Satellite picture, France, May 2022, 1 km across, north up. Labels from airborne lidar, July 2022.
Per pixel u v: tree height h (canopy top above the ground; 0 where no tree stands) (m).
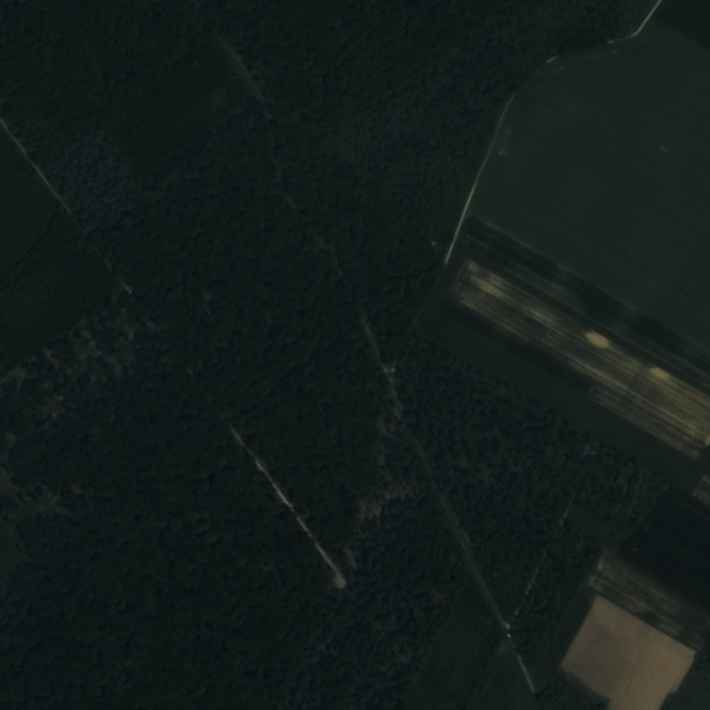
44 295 21
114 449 28
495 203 0
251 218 26
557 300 0
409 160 24
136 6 25
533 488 25
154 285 25
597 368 0
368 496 22
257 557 27
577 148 0
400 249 27
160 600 31
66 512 32
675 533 0
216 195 25
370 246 27
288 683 26
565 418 0
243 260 26
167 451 29
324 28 24
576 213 0
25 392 33
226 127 8
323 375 30
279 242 23
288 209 19
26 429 29
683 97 0
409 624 29
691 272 0
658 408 0
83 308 15
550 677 0
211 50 6
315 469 27
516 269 0
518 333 0
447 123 26
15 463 28
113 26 22
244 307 30
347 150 21
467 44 19
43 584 28
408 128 24
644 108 0
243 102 6
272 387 22
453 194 11
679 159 0
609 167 0
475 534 24
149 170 9
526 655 15
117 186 29
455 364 16
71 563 32
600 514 20
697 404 0
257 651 20
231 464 30
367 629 22
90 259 15
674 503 0
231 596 29
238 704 30
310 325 26
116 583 29
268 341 25
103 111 22
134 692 31
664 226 0
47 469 30
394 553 30
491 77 24
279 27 25
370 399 27
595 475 21
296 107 27
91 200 22
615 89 0
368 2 28
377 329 26
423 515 29
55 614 27
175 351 30
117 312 30
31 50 24
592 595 0
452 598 7
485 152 8
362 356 28
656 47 0
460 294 0
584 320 0
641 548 0
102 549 30
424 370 20
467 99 18
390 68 24
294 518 23
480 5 27
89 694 30
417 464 24
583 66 0
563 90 0
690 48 0
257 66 22
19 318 17
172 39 26
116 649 32
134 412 29
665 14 0
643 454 0
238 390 27
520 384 0
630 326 0
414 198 28
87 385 29
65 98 27
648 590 0
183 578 29
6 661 26
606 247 0
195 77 5
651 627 0
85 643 28
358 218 29
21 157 7
